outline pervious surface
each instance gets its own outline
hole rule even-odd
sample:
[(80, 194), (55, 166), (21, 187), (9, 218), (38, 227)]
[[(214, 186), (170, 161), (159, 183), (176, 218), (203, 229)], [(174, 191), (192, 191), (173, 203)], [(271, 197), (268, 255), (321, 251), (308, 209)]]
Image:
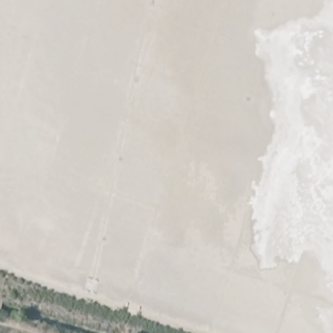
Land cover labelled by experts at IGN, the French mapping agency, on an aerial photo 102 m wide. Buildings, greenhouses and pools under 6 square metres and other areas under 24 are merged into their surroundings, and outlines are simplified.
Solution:
[(22, 321), (0, 321), (0, 333), (56, 333), (53, 329), (44, 332)]
[(131, 315), (142, 315), (146, 319), (190, 333), (333, 333), (333, 0), (0, 0), (0, 269), (38, 284), (59, 293), (74, 295), (78, 299), (90, 302), (95, 300), (112, 310), (125, 307)]

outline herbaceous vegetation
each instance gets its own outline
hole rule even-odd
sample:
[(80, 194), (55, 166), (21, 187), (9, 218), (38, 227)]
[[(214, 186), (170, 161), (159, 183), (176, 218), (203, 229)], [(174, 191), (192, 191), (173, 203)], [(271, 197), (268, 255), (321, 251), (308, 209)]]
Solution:
[(22, 308), (33, 306), (38, 307), (42, 316), (48, 319), (59, 320), (60, 323), (72, 324), (98, 333), (129, 333), (130, 325), (124, 321), (116, 323), (101, 319), (99, 316), (85, 315), (77, 310), (68, 311), (59, 304), (34, 299), (33, 295), (27, 295), (25, 300), (17, 299), (21, 289), (34, 289), (38, 284), (0, 269), (0, 321), (22, 321)]

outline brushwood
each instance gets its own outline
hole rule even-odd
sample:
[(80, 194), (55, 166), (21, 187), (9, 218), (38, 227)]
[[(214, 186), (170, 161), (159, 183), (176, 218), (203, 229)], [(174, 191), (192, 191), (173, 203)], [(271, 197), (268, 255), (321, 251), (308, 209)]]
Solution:
[(48, 319), (42, 316), (38, 307), (33, 306), (22, 308), (22, 321), (44, 332), (53, 329), (56, 333), (98, 333), (72, 324), (60, 323), (59, 320)]
[(38, 284), (34, 289), (21, 289), (17, 299), (25, 300), (27, 295), (33, 295), (34, 299), (59, 304), (68, 311), (77, 310), (85, 315), (99, 316), (101, 319), (116, 323), (124, 321), (130, 325), (129, 333), (190, 333), (146, 319), (142, 315), (131, 315), (125, 307), (112, 310), (95, 300), (90, 302), (78, 299), (74, 295), (59, 293)]

